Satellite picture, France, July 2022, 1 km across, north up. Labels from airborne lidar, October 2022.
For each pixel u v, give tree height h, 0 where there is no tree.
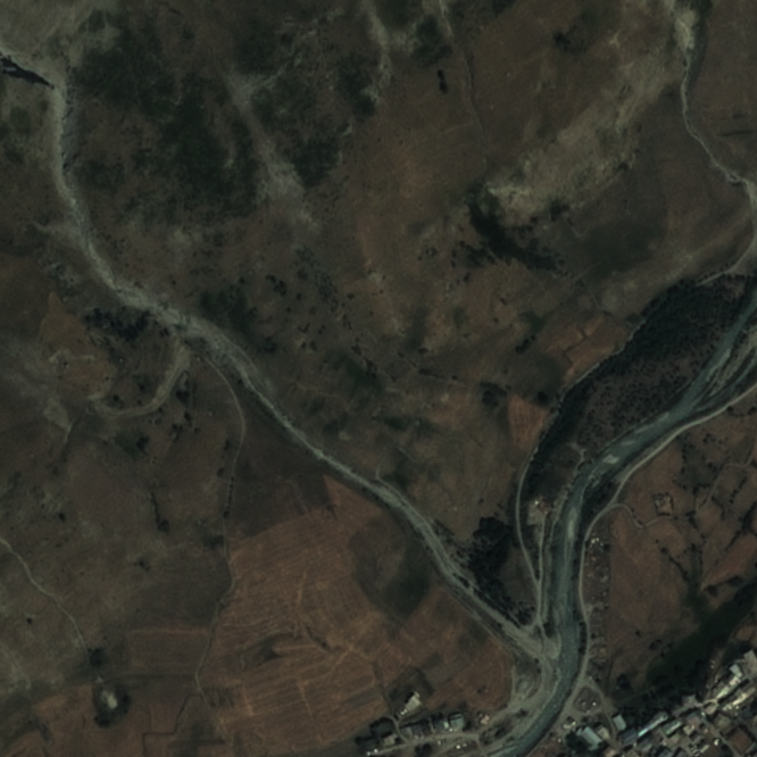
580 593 0
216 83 0
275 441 0
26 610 0
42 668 0
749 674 0
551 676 0
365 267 0
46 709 0
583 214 0
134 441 0
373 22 0
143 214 0
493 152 0
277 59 0
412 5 0
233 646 0
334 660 0
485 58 0
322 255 0
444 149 0
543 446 7
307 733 0
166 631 0
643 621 0
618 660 0
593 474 0
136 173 0
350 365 0
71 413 0
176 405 0
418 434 0
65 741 0
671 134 0
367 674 0
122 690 0
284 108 0
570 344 0
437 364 0
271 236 0
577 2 0
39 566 0
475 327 0
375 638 0
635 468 0
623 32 0
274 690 0
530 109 0
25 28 0
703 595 0
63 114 0
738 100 0
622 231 0
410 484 0
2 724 0
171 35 0
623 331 0
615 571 0
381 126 0
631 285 0
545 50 0
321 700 0
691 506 0
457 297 0
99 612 0
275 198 0
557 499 0
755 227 0
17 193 0
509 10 0
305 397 0
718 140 0
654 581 0
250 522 0
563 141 0
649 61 0
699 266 0
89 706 0
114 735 0
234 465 0
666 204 0
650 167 0
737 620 0
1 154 0
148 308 0
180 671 0
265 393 0
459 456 0
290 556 0
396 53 0
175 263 0
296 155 0
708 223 0
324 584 0
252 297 0
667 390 6
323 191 0
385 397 0
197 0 0
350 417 0
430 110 0
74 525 0
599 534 0
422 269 0
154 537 0
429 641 0
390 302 0
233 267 0
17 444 0
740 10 0
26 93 0
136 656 0
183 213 0
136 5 0
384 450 0
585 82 0
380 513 0
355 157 0
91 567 0
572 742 10
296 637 0
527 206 0
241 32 0
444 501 0
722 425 0
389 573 0
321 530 0
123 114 0
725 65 0
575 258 0
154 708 0
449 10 0
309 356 0
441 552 0
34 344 0
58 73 0
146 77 0
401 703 0
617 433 5
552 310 0
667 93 0
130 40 0
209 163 0
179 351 0
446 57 0
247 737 0
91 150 0
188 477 0
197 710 0
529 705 0
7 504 0
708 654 0
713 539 0
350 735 0
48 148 0
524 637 0
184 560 0
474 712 0
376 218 0
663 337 10
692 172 0
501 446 0
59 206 0
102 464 0
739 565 0
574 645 0
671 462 0
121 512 0
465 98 0
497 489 0
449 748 0
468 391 0
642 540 0
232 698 0
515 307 0
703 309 10
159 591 0
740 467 0
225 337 0
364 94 0
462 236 0
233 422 0
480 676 0
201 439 0
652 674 0
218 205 0
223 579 0
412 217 0
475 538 10
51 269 0
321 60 0
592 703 0
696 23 0
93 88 0
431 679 0
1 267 0
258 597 0
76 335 0
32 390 0
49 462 0
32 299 0
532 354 0
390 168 0
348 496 0
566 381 0
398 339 0
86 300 0
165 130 0
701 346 6
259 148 0
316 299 0
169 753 0
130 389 0
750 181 0
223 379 0
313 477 0
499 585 19
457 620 0
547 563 0
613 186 0
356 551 0
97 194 0
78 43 0
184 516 0
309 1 0
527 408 0
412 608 0
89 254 0
